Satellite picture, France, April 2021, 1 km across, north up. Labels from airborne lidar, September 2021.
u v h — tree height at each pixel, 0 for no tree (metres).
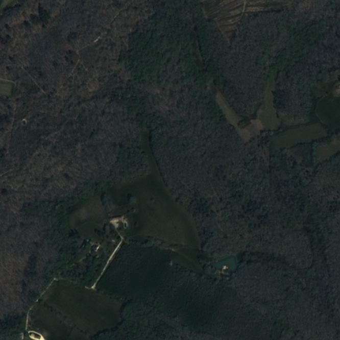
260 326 6
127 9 7
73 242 24
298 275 11
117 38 11
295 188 10
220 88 19
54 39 6
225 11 0
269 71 23
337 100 0
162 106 19
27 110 10
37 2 12
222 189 8
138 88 23
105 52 13
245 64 20
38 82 18
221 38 23
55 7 19
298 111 15
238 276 18
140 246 11
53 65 18
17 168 11
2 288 14
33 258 17
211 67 21
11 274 16
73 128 18
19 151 7
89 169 19
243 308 8
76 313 0
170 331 22
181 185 11
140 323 26
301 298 22
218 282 12
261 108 13
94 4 12
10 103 16
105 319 0
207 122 18
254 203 18
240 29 20
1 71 11
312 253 7
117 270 7
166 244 10
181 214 0
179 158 17
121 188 0
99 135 21
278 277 20
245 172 11
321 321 16
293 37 26
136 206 0
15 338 23
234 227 11
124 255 9
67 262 21
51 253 18
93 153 13
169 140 16
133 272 8
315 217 20
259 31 20
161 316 20
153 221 0
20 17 18
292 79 16
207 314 6
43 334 0
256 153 19
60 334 0
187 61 22
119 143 22
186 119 15
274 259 9
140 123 19
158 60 21
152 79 23
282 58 25
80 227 0
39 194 11
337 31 13
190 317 8
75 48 16
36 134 6
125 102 24
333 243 19
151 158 0
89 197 21
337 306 18
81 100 13
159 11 13
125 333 20
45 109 14
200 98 14
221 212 9
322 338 15
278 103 14
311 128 0
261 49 19
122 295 8
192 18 14
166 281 7
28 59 14
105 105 21
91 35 12
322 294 17
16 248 14
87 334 12
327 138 8
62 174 12
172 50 19
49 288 17
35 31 18
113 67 14
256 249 19
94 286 15
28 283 11
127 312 24
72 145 7
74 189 25
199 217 15
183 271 6
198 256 0
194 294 7
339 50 20
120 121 22
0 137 16
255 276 16
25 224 17
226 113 0
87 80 9
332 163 18
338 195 10
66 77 16
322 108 0
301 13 7
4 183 7
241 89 12
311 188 10
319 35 21
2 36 11
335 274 19
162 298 10
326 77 22
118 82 12
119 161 21
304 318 15
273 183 14
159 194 0
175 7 21
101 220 0
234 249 13
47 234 15
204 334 14
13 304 20
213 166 18
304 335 9
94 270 22
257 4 0
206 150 19
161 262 9
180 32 23
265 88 16
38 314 0
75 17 21
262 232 12
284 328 13
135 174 21
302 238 22
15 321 26
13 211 22
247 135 0
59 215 23
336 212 12
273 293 16
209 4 0
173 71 12
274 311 18
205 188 10
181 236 0
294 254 15
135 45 17
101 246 14
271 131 12
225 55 18
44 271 22
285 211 20
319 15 16
